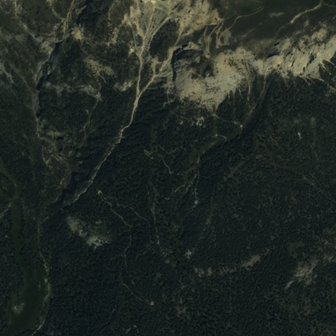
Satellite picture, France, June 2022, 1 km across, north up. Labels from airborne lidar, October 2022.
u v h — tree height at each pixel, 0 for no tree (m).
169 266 14
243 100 9
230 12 0
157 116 11
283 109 13
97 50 7
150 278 12
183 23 0
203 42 0
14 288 11
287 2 0
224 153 11
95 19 9
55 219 8
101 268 7
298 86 10
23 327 0
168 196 5
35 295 0
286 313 7
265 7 0
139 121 15
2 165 0
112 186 8
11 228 11
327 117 6
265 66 0
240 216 10
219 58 0
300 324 12
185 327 11
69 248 9
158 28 0
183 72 0
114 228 15
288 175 7
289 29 0
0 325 15
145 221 13
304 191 8
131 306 10
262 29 0
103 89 7
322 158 7
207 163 12
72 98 8
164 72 0
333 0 0
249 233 8
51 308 7
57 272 13
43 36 0
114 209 6
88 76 7
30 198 6
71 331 23
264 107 7
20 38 0
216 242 12
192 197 8
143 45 0
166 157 10
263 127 9
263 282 14
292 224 13
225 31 0
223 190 11
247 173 9
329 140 7
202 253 7
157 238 9
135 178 16
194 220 9
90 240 0
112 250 15
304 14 0
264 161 6
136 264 14
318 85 9
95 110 6
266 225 12
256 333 14
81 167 8
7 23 0
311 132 7
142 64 0
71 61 10
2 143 7
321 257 10
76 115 6
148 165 10
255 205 9
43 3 0
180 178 9
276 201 8
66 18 0
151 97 8
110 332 9
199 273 9
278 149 10
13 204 0
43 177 7
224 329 18
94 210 14
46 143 12
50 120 7
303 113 6
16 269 14
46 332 9
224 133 11
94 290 9
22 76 0
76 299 9
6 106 14
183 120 7
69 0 0
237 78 0
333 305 18
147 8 0
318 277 6
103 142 9
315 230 18
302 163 7
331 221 12
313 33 0
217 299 17
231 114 6
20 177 9
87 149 7
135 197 9
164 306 8
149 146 8
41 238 7
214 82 0
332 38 0
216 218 9
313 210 8
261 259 10
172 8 0
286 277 10
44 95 7
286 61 0
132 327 10
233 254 13
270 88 7
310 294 15
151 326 10
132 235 12
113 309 9
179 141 11
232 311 6
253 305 14
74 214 7
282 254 16
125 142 8
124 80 7
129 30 0
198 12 0
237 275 15
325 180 9
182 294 20
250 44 0
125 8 0
